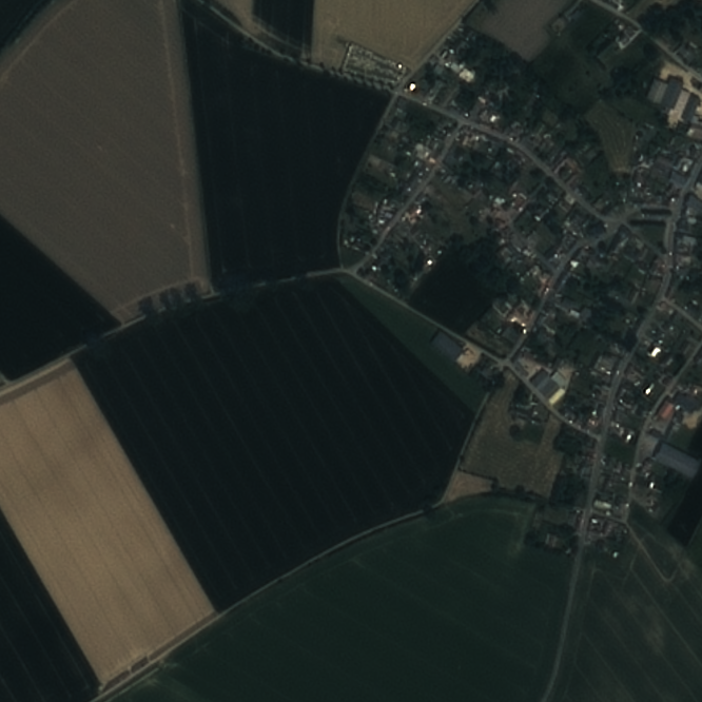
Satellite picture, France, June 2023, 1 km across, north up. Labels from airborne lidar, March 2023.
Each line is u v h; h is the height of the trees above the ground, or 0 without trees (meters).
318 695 0
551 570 0
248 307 0
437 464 0
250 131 0
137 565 0
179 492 0
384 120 0
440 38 0
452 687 0
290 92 0
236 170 0
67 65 0
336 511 0
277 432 0
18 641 0
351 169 0
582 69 0
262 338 0
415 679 0
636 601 0
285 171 0
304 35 0
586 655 0
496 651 0
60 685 0
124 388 0
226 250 0
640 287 11
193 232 0
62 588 0
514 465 0
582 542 0
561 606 0
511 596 0
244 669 0
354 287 0
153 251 0
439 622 0
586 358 0
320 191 0
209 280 0
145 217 0
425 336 0
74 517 0
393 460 0
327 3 0
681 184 0
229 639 0
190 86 0
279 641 0
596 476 0
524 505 0
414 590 0
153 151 0
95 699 0
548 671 0
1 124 0
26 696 0
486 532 0
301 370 0
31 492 0
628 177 8
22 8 0
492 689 0
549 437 0
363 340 0
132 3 0
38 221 0
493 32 0
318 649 0
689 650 0
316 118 0
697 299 0
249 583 0
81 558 0
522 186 0
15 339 0
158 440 0
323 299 0
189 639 0
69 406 0
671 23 13
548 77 0
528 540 9
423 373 0
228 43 0
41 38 0
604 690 0
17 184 0
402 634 0
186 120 0
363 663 0
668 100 0
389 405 0
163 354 0
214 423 0
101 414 0
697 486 0
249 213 0
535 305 8
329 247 0
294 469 0
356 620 0
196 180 0
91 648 0
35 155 0
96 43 0
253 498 0
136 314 0
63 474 0
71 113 0
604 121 0
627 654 0
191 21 0
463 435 0
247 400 0
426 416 0
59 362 0
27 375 0
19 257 0
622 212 0
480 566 0
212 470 0
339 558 0
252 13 0
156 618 0
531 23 0
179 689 0
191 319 0
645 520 0
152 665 0
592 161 5
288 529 0
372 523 0
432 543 0
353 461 0
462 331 0
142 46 0
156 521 0
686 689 0
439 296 0
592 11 0
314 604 0
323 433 0
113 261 0
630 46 0
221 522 0
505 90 0
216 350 0
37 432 0
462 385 0
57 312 0
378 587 0
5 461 0
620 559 0
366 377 0
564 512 0
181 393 0
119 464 0
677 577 0
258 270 0
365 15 0
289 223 0
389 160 0
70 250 0
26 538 0
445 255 0
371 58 0
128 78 0
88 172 0
